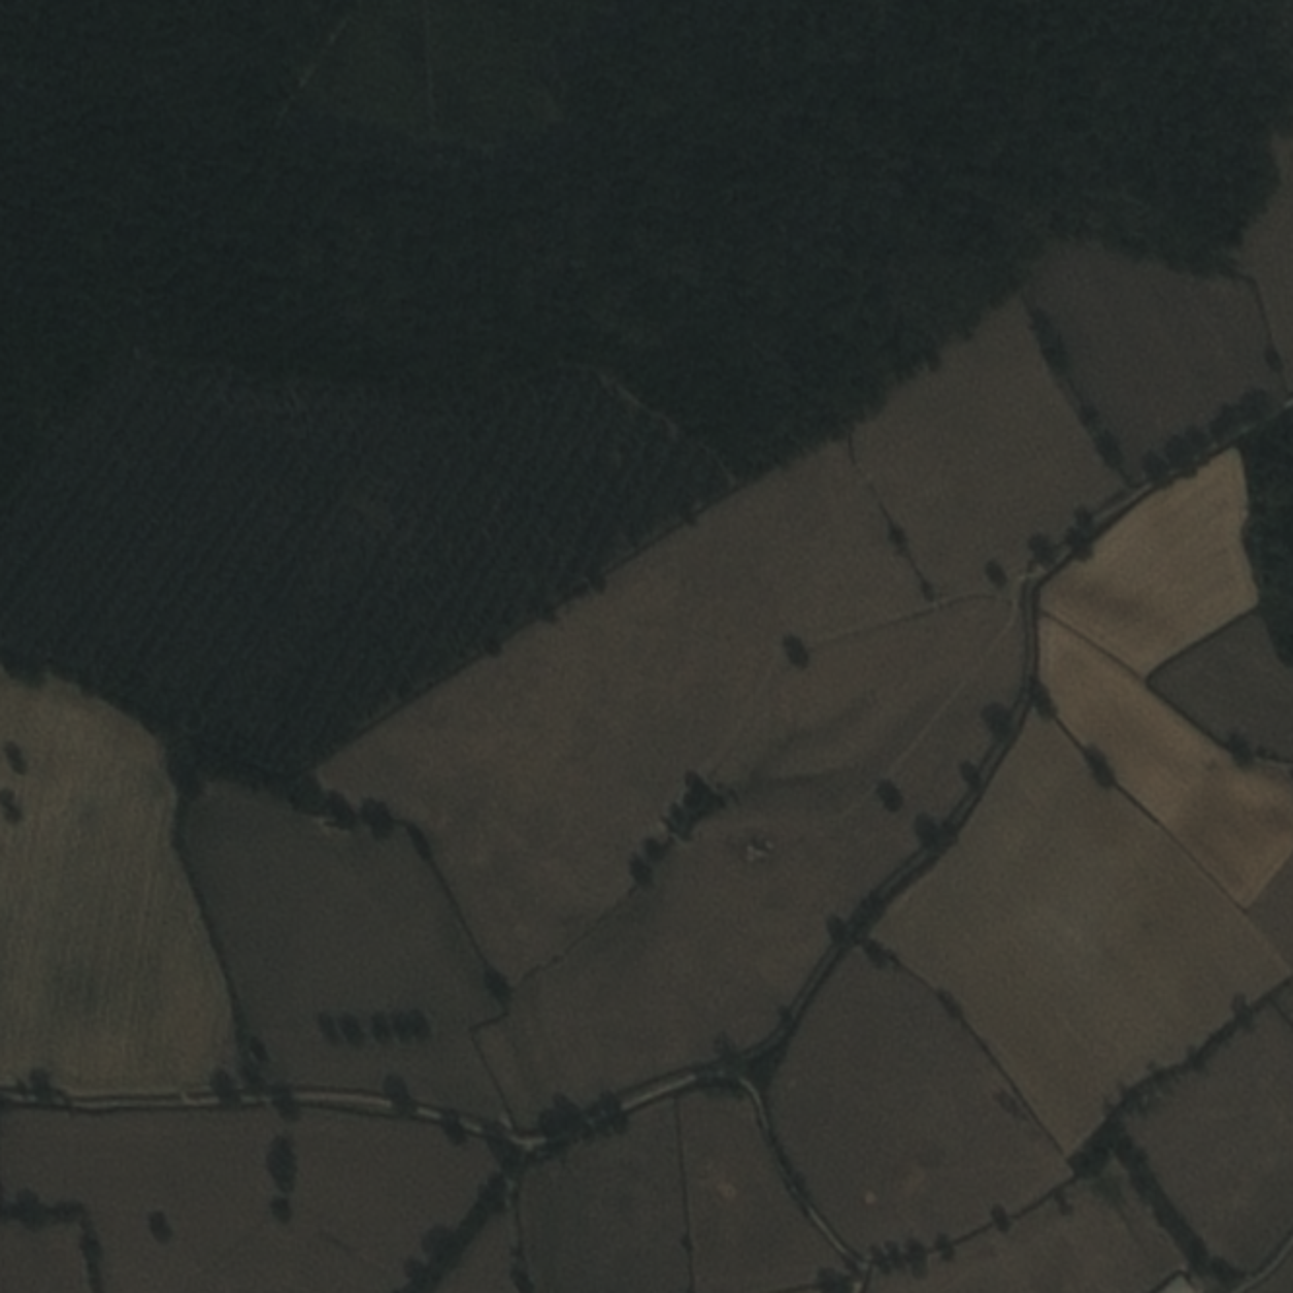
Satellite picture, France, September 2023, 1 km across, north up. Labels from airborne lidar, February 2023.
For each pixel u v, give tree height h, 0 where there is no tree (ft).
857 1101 0
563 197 64
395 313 59
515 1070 0
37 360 59
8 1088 0
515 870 0
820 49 61
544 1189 0
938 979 0
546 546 37
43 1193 0
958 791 0
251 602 46
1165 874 0
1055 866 0
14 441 66
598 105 72
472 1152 0
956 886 0
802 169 76
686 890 0
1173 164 71
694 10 53
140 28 68
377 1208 0
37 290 73
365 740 0
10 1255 0
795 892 0
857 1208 0
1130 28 63
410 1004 0
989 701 0
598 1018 0
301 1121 0
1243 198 64
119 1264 0
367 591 35
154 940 0
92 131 78
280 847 0
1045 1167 0
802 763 0
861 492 0
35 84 74
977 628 0
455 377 46
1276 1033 0
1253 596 0
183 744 20
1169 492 0
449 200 67
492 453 32
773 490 0
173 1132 0
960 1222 0
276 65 70
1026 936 0
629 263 73
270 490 36
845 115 60
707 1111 0
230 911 0
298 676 20
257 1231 0
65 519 42
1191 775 0
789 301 77
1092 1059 0
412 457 39
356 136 53
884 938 0
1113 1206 0
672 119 59
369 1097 0
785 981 0
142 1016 0
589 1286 0
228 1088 62
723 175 77
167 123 75
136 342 60
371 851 0
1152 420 0
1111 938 0
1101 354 0
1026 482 0
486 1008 0
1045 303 0
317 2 74
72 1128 0
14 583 37
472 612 42
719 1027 0
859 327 74
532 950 0
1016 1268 0
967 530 0
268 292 77
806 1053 0
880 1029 0
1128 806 0
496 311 73
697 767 0
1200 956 0
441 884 0
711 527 0
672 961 0
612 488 38
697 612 0
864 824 0
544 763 0
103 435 35
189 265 63
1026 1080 0
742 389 71
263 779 56
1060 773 0
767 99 73
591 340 69
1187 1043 0
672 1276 0
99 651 41
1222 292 0
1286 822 0
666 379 65
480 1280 0
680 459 39
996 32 62
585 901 0
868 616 0
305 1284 0
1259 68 77
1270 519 32
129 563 51
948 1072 0
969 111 70
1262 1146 0
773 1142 28
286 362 58
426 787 0
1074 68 70
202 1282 0
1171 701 0
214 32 69
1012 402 0
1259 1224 0
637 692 0
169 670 42
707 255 73
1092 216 59
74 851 0
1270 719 0
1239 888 0
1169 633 0
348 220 60
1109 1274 0
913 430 0
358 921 0
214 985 0
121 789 0
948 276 71
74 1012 0
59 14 70
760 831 0
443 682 0
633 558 0
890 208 68
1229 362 0
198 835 0
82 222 76
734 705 0
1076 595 0
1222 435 36
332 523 27
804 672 0
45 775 0
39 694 0
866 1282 0
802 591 0
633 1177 0
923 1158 0
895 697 0
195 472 42
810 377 74
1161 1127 0
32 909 0
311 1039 0
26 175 76
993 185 61
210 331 58
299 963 0
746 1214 0
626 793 0
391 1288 0
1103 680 0
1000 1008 0
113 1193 0
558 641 0
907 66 65
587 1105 0
